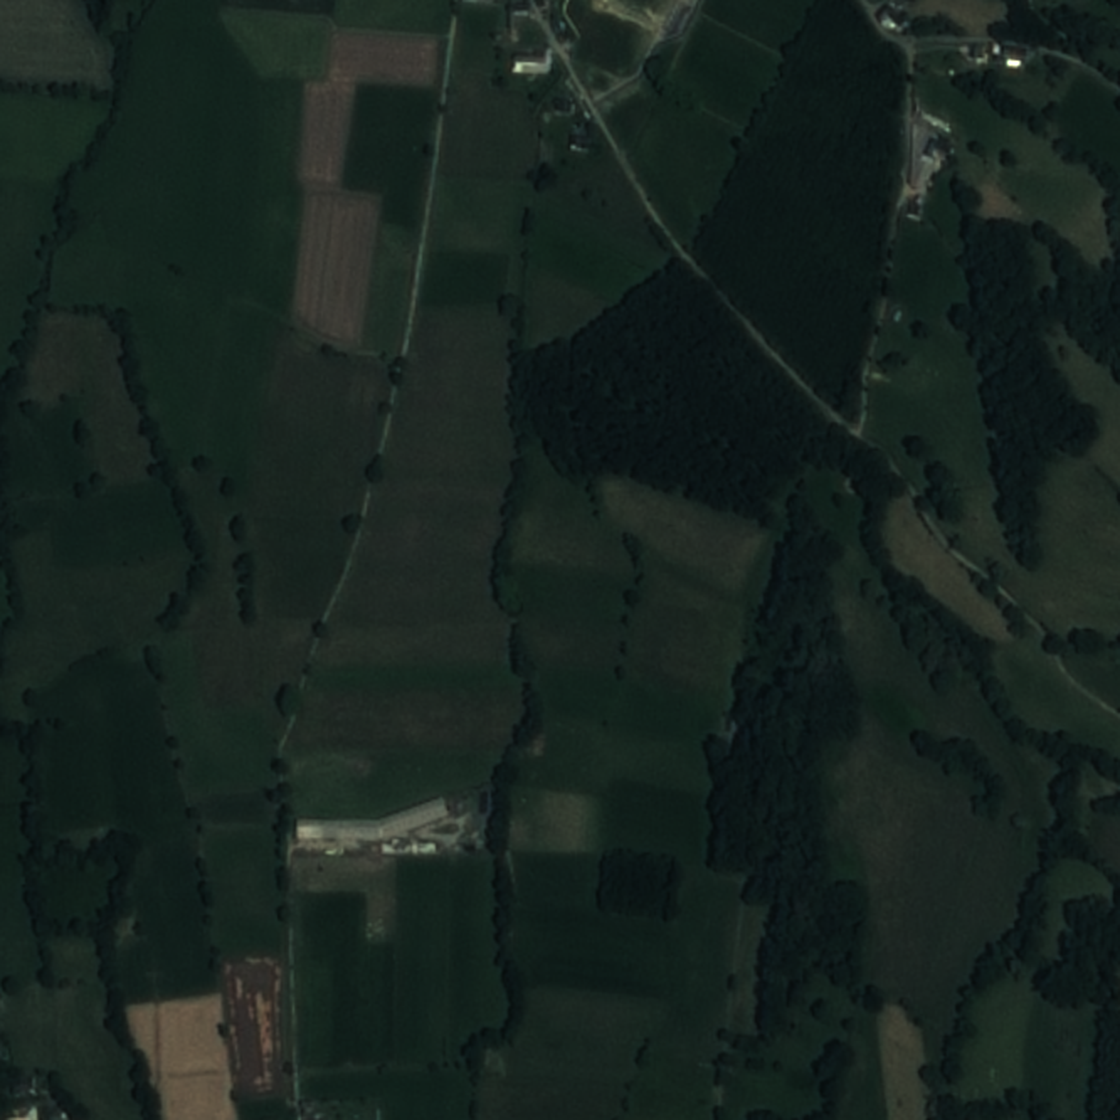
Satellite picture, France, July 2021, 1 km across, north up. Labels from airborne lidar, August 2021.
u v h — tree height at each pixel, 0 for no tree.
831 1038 0
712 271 9
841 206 10
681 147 0
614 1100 0
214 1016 0
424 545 0
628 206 0
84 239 0
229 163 0
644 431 22
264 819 0
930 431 0
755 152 8
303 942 0
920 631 22
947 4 0
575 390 22
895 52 13
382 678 0
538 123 0
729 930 0
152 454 7
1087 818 0
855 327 7
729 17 0
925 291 0
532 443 14
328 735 0
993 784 18
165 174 0
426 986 0
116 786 0
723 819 26
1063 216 0
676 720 0
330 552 0
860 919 21
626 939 0
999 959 25
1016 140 0
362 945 0
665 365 23
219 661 0
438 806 0
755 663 16
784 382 20
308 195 0
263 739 0
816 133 9
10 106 0
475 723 0
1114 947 25
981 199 14
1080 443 25
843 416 23
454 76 0
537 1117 0
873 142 12
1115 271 16
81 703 0
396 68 0
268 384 0
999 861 0
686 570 0
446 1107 0
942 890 0
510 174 0
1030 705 0
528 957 0
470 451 0
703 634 0
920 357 0
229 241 0
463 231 0
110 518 0
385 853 0
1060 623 0
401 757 0
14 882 0
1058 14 18
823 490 0
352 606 0
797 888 22
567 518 0
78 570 0
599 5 0
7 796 0
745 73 0
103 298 0
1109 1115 21
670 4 0
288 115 0
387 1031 0
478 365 0
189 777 0
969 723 0
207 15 0
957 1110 22
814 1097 0
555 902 0
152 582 0
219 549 0
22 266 0
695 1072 0
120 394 0
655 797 0
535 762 0
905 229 0
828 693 26
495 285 0
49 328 0
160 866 0
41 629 0
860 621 0
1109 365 21
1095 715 0
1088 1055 0
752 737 22
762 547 0
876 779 0
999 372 20
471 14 0
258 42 0
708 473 24
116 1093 0
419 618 0
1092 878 0
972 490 0
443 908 0
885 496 24
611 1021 0
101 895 0
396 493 0
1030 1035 0
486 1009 0
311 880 0
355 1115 0
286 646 0
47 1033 0
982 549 0
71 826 0
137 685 0
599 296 0
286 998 0
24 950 0
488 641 0
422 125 0
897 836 0
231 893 0
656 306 22
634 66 0
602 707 0
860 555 0
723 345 25
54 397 0
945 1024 0
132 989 0
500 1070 0
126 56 9
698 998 0
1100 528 0
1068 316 19
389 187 0
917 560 0
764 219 9
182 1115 0
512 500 15
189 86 0
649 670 0
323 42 0
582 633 0
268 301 0
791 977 24
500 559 15
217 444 0
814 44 7
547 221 0
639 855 11
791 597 27
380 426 0
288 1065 7
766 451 23
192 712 0
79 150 0
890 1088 0
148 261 0
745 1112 0
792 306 9
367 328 0
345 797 0
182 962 0
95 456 0
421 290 0
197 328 0
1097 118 0
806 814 22
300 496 0
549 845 0
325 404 0
